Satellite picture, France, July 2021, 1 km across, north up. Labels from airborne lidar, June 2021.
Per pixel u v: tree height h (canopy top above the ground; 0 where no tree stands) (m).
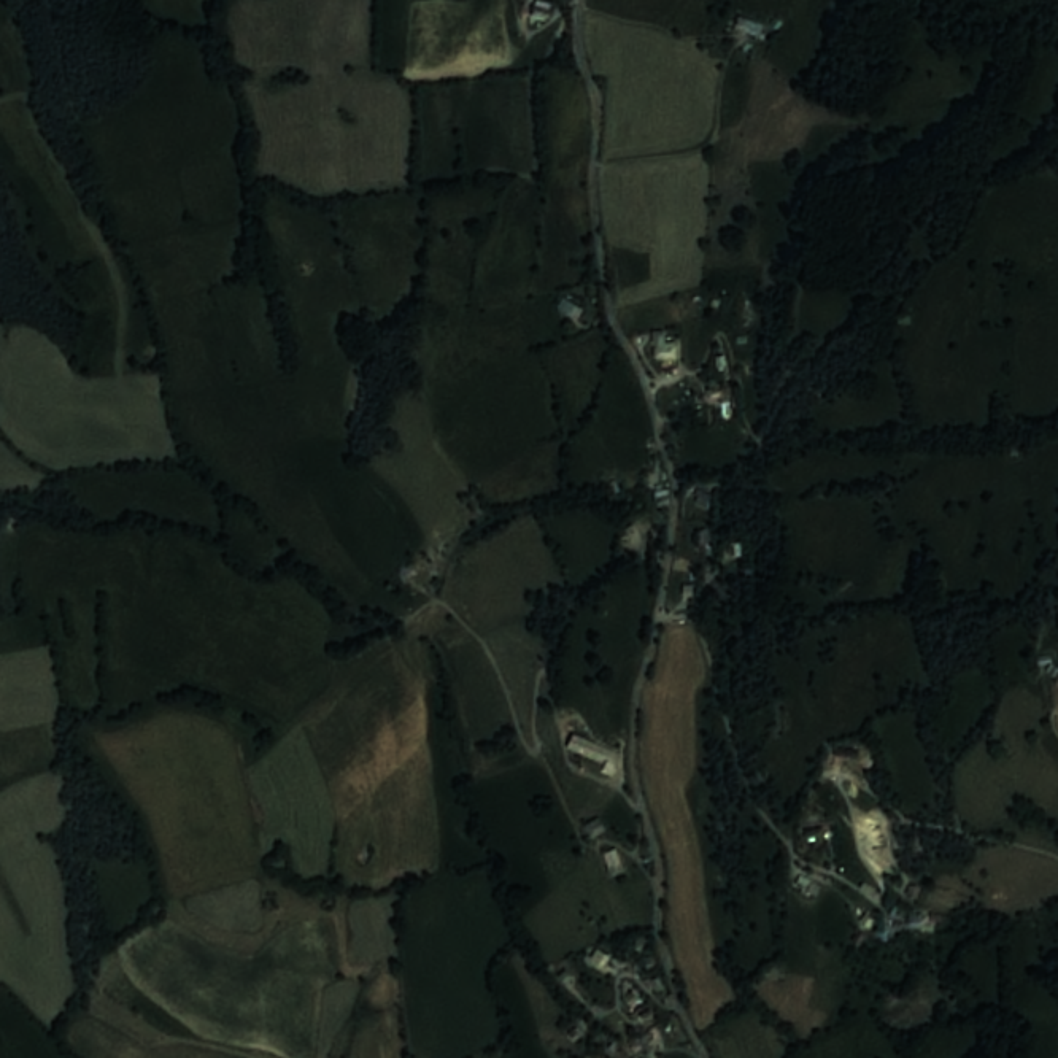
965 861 6
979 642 18
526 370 0
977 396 0
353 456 14
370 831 0
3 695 0
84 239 0
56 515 16
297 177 0
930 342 0
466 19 0
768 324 14
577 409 0
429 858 0
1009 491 0
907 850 10
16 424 0
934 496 0
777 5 0
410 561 7
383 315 0
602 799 0
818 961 0
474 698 0
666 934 12
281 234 0
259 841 0
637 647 0
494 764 0
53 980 0
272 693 0
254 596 0
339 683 0
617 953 9
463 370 0
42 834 8
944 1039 0
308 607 0
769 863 9
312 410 0
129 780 0
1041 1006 0
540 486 0
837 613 13
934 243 10
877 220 21
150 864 8
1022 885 0
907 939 9
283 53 0
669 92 0
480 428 0
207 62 10
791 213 23
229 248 0
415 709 0
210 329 0
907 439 16
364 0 0
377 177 0
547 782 0
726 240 19
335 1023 0
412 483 0
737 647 16
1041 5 13
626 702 0
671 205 0
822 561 0
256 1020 0
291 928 0
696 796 0
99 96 14
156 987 0
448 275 0
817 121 0
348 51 0
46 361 0
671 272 0
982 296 0
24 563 0
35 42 16
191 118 0
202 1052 0
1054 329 0
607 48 0
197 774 0
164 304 0
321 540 0
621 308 0
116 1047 0
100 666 8
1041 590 11
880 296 15
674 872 0
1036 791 0
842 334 13
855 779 0
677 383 0
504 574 0
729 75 0
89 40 9
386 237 0
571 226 0
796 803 8
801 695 0
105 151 0
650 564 13
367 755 0
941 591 19
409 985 0
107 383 0
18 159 0
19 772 0
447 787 0
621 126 0
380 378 17
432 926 0
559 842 0
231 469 0
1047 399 0
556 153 0
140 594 0
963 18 27
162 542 0
